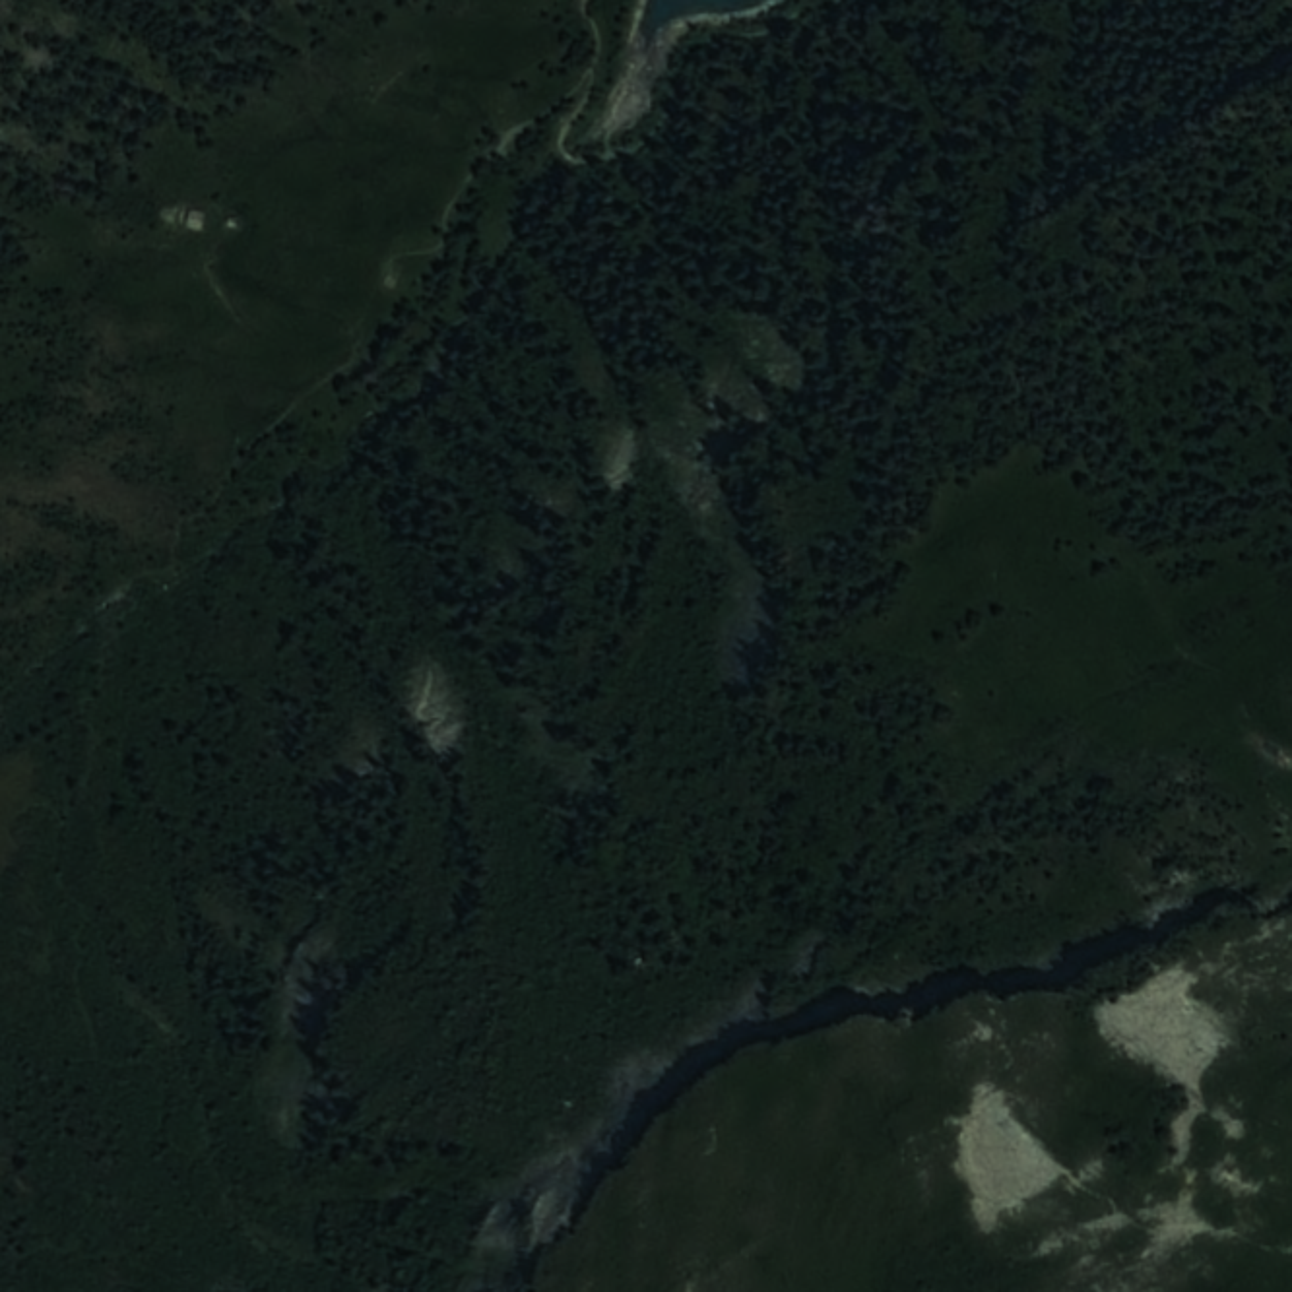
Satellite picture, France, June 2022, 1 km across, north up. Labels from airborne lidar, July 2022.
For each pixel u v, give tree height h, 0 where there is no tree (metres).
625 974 24
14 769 0
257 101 0
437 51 0
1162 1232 0
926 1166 0
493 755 6
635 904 7
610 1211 0
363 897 9
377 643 6
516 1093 7
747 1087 0
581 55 16
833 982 12
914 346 24
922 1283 8
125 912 0
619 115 0
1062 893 0
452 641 7
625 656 12
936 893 7
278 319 0
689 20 0
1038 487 0
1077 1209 0
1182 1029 0
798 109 12
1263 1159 0
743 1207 0
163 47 18
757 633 0
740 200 8
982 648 0
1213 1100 0
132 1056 6
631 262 30
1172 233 31
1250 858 0
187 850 10
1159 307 25
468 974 6
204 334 0
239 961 6
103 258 0
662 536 9
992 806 7
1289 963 0
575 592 8
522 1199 0
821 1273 0
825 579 11
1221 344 21
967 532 0
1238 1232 0
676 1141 0
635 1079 0
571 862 12
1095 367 10
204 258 0
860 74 6
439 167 0
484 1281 0
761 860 11
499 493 13
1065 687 0
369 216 0
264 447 9
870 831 14
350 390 22
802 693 23
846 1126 0
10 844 0
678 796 7
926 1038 0
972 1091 0
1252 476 9
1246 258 23
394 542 9
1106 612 0
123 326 0
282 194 0
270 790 6
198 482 0
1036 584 0
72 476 0
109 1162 6
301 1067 0
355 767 0
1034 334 10
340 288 0
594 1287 0
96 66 22
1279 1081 0
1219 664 0
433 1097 7
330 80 0
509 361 6
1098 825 16
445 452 5
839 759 18
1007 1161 0
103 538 6
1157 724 0
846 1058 0
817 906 10
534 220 31
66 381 10
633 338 27
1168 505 22
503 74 0
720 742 7
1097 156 5
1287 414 29
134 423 6
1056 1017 0
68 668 8
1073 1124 0
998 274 8
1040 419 25
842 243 11
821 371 19
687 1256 0
